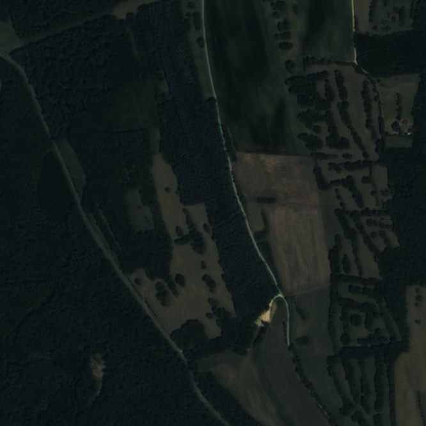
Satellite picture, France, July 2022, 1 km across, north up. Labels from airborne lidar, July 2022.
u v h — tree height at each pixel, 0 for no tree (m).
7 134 19
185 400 20
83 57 14
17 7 22
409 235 16
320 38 0
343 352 12
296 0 0
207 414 18
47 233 27
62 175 7
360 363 12
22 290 20
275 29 0
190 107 17
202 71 0
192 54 12
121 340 22
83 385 25
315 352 0
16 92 25
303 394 0
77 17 17
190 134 16
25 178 21
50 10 24
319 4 0
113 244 19
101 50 29
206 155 18
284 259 0
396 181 14
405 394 0
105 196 20
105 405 17
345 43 0
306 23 0
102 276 22
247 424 14
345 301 15
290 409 0
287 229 0
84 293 27
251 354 0
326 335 0
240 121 0
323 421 0
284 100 0
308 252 0
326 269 0
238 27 0
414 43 7
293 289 0
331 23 0
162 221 6
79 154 22
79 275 26
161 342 20
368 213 17
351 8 0
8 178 24
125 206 16
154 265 10
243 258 15
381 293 13
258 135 0
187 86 19
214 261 0
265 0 12
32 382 19
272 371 0
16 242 22
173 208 0
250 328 18
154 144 0
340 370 0
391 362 14
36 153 21
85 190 16
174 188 0
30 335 20
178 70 19
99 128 20
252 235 0
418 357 0
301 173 0
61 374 19
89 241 23
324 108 9
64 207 6
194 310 0
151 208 10
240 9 0
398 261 11
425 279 12
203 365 0
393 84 0
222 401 17
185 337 16
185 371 18
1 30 0
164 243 10
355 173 0
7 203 24
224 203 15
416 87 0
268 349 0
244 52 0
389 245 8
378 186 0
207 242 0
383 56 10
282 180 0
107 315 28
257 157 0
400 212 16
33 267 18
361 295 10
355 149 0
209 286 9
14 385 22
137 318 23
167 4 17
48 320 22
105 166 19
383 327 0
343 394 6
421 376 0
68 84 24
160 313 0
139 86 0
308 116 11
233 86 0
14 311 21
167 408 25
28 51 19
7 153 20
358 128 0
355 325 14
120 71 12
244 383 0
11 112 20
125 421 26
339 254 8
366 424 17
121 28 6
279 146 0
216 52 0
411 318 0
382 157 16
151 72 6
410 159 14
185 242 8
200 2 0
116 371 21
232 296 6
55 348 22
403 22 7
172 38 14
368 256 0
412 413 0
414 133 10
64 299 28
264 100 0
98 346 17
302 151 0
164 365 20
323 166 0
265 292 14
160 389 25
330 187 9
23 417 15
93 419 22
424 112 21
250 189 0
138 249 9
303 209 0
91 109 25
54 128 21
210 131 15
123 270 13
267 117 0
